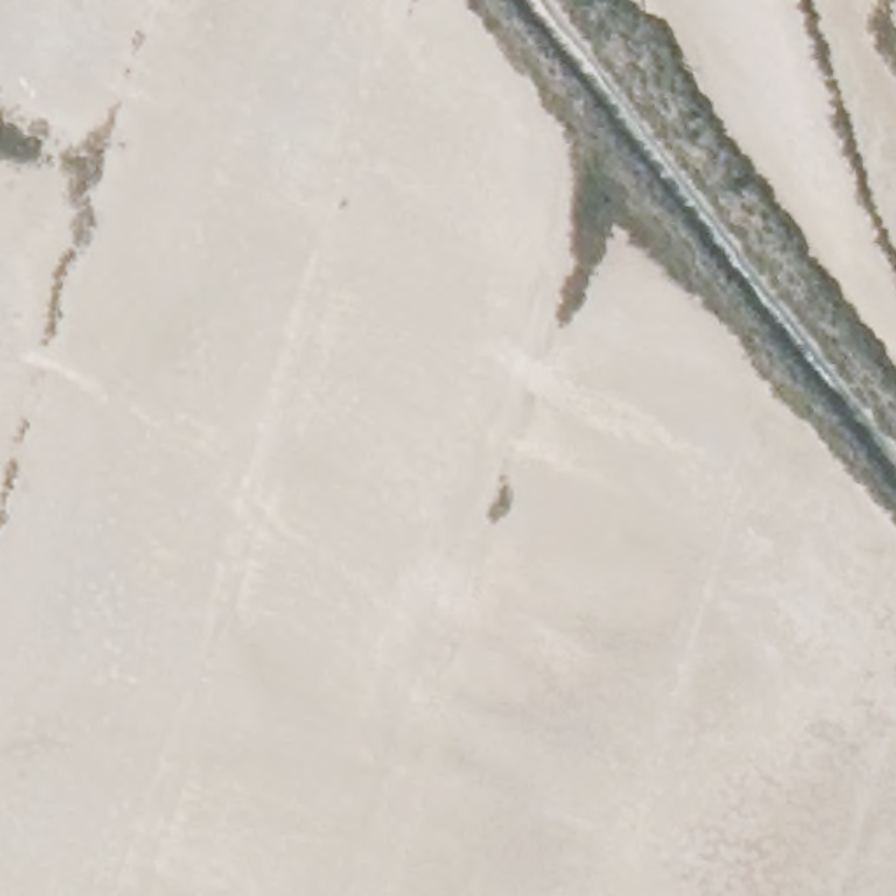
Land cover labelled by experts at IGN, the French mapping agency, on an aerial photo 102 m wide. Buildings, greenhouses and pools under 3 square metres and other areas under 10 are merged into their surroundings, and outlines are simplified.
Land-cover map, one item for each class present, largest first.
<instances>
[{"label":"pervious surface","instance_id":"1","mask_svg":"<svg viewBox=\"0 0 896 896\"><path fill-rule=\"evenodd\" d=\"M0 109L4 123L18 126L21 133H28L35 119L49 123V137L42 140L35 161L0 158V896H896V518L872 497V490L861 480L847 473V466L830 452V445L809 420L791 413V406H784L770 392V385L756 375L739 336L704 308L700 298L686 294L676 280H669L665 270L630 242L623 228H613L606 242V256L588 280L585 305L574 312L571 322L557 319L564 280L574 270L571 147L564 126L543 109L536 84L508 63L497 39L483 28V21L469 11L466 0H0ZM532 11L564 42V49L613 102V109L641 140V147L662 165V175L676 182L686 203L711 228L714 242L725 249L732 266L753 284L756 298L770 308V315L805 350L809 364L823 375V382L847 399L854 392L851 382H844V375L826 361L819 340L777 298L767 273H760L746 259L742 242L721 224L711 200L676 165L665 144L655 137L651 123L627 102L623 88L595 63L592 42L578 32L560 0H529ZM648 14L669 21L686 56V67L693 70L700 91L711 98L728 137L774 186L777 203L805 231L812 256L837 277L844 298L858 308L861 322L886 343V354L896 364V277L882 249L875 245L868 214L858 203L854 172L833 130L830 91L823 84L812 42L805 35L798 0H634ZM879 0H816L833 70L844 88L854 137L868 168V182L886 217V228L896 242V74L879 53L872 32V14Z\"/></svg>","mask_w":896,"mask_h":896},{"label":"herbaceous vegetation","instance_id":"2","mask_svg":"<svg viewBox=\"0 0 896 896\"><path fill-rule=\"evenodd\" d=\"M469 11L483 21V28L497 39L508 63L536 84L543 109L564 126L571 147L574 270L564 280L557 319L571 322L574 312L585 305L588 280L606 256V242L613 228H623L630 242L665 270L669 280H676L686 294L700 298L704 308L739 336L756 375L770 385V392L784 406H791V413L809 420L830 445V452L847 466V473L861 480L872 490V497L896 518V392L882 385V375L851 343V333L833 322L830 301L812 280H805V270L795 263V256L781 249V228L774 221H763L760 196L746 189H728V154L711 137L686 140L693 119L686 116V98H676L672 91L655 84L651 32L609 14V4L599 0H560L578 32L592 42L595 63L623 88L627 102L651 123L655 137L665 144L676 165L711 200L721 224L742 242L746 259L760 273H767L777 298L819 340L826 361L844 375V382H851L854 392L847 399L823 382V375L809 364L805 350L770 315V308L756 298L753 284L732 266L725 249L714 242L711 228L686 203L679 217H672L662 203L651 200L644 172L620 151L609 130L599 123V116L588 109L578 84L567 81L560 63L539 49L536 35L515 18V11L504 0H466ZM49 137V123L35 119L28 133H21L18 126L4 123L0 109V158L35 161L42 140Z\"/></svg>","mask_w":896,"mask_h":896},{"label":"brushwood","instance_id":"3","mask_svg":"<svg viewBox=\"0 0 896 896\"><path fill-rule=\"evenodd\" d=\"M515 11V18L536 35L539 49L560 63L567 81L578 84L588 109L599 116V123L609 130L620 151L644 172L651 200L662 203L672 217H679L686 203L676 182L662 175V165L641 147V140L613 109V102L564 49V42L532 11L529 0H504ZM609 4V14L651 32L655 84L672 91L676 98H686V116L693 119L686 140L711 137L728 154V189H746L760 196L763 221H774L781 228V249L795 256V263L805 270V280H812L830 301L833 322L851 333V343L882 375V385L896 392V364L886 354V343L861 322L858 308L844 298L837 277L812 256L805 231L777 203L774 186L728 137L711 98L700 91L693 70L686 67V56L669 21L648 14L634 0H599ZM805 35L812 42L823 84L830 91L833 130L854 172L858 203L868 214L875 245L882 249L896 277V242L886 228V217L868 182V168L854 137L844 88L833 70L816 0H798ZM872 32L879 53L896 74V0H879L872 14Z\"/></svg>","mask_w":896,"mask_h":896}]
</instances>
